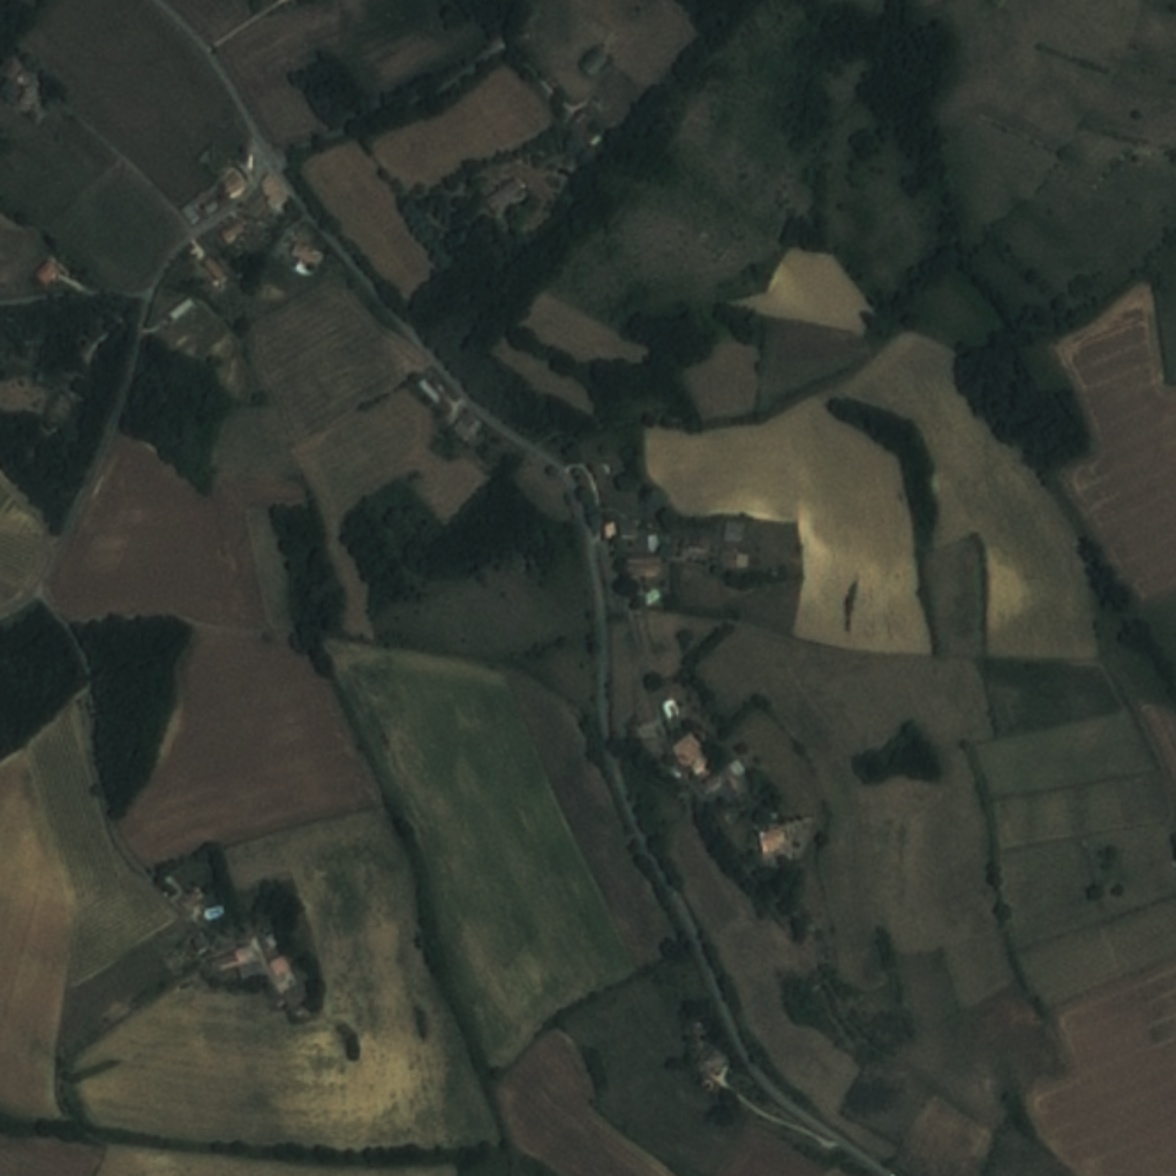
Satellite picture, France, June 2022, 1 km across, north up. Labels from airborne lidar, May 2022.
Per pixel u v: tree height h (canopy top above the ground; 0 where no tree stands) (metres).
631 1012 0
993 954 0
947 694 0
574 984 0
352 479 0
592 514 9
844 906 0
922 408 0
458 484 0
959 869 0
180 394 14
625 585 17
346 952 0
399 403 0
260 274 12
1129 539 0
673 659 0
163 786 0
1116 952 0
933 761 17
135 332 13
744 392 0
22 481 9
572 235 8
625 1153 0
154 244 0
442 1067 0
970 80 0
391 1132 0
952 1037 0
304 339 0
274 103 0
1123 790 0
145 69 0
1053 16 0
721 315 20
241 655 0
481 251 17
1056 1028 0
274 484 0
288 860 0
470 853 0
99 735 15
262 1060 0
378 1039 0
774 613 0
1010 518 0
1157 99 0
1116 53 0
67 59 0
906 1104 0
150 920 0
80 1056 0
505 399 12
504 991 0
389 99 15
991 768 0
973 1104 0
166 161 0
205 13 0
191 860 6
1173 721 0
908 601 0
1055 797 0
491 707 0
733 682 0
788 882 16
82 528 0
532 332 14
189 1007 0
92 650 11
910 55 21
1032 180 0
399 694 0
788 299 0
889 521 0
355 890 0
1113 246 0
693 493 0
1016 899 0
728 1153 0
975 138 0
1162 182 0
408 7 0
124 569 0
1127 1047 0
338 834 0
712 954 12
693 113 0
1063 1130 0
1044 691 0
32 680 11
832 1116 0
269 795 0
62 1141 11
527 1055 0
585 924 0
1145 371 0
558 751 0
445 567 6
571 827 0
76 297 12
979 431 0
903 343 0
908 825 0
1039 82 0
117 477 0
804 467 0
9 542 0
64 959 0
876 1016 0
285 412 0
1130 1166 0
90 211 0
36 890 0
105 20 0
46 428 7
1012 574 0
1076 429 11
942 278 14
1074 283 7
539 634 0
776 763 0
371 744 0
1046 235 0
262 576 0
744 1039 7
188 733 0
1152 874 0
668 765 8
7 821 0
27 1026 0
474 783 0
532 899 0
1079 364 0
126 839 0
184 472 11
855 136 9
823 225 19
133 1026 0
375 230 0
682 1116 0
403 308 14
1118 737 0
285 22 0
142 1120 0
